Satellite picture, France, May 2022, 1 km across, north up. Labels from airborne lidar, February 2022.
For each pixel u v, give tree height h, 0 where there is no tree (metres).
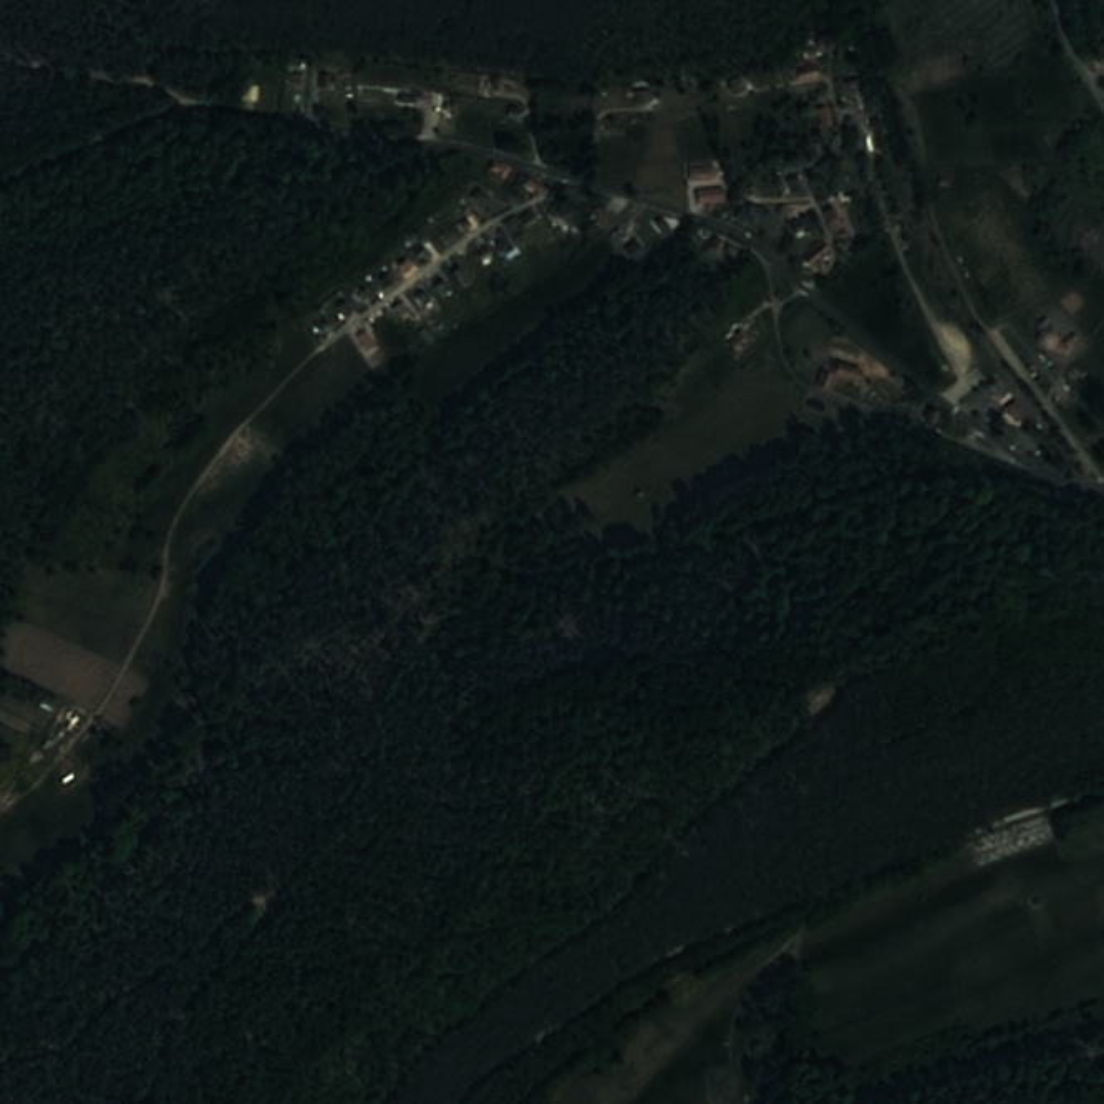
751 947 17
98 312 22
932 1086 28
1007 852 0
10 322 30
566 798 27
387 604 30
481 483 30
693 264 7
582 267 0
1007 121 0
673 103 0
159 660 0
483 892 23
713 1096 0
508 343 0
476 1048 18
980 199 0
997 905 0
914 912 0
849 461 30
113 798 28
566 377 30
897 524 33
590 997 19
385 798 26
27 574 0
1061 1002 0
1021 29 0
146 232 24
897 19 0
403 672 25
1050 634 16
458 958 19
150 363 6
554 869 26
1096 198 0
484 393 20
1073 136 11
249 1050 23
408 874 27
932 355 0
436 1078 19
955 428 0
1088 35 22
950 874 0
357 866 28
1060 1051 26
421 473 27
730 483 28
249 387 0
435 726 24
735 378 0
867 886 20
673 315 22
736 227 0
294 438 0
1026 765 18
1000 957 0
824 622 31
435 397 0
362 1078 21
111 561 0
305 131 15
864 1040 0
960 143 0
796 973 20
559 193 13
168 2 14
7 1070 27
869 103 11
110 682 0
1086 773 23
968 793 20
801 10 23
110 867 35
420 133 0
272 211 29
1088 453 0
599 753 29
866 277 0
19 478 23
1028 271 0
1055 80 0
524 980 20
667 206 0
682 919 20
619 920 15
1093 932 0
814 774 18
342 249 36
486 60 21
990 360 0
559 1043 20
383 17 16
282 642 24
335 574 31
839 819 15
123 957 27
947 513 32
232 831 28
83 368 27
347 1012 25
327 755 29
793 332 0
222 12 17
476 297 0
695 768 26
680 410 0
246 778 34
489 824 26
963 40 0
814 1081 32
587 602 23
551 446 22
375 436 33
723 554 17
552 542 23
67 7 27
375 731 24
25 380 25
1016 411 0
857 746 14
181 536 0
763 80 0
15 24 25
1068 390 0
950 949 0
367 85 0
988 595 27
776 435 0
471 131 0
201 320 13
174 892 32
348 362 0
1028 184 5
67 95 17
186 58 28
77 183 23
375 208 34
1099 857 0
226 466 0
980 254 0
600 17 15
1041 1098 33
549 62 21
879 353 0
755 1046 9
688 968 16
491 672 25
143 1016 25
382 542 31
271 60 20
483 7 15
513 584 21
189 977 26
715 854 19
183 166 31
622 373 24
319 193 30
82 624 0
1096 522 23
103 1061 26
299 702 34
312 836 26
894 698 16
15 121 21
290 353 0
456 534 30
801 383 0
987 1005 0
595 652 7
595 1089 0
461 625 17
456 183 0
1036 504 30
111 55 27
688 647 24
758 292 0
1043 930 0
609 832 27
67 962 32
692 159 0
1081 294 0
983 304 0
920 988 0
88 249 32
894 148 9
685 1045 0
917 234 0
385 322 0
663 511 0
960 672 14
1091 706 10
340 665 29
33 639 0
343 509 33
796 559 31
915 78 0
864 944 0
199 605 0
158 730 0
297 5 13
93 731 11
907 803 21
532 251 0
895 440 27
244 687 9
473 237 0
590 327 26
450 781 32
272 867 24
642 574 18
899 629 25
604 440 35
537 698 31
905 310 6
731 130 0
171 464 0
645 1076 0
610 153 0
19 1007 33
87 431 30
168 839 31
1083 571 10
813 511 28
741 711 21
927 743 18
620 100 0
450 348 0
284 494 33
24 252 29
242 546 20
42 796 0
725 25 26
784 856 19
